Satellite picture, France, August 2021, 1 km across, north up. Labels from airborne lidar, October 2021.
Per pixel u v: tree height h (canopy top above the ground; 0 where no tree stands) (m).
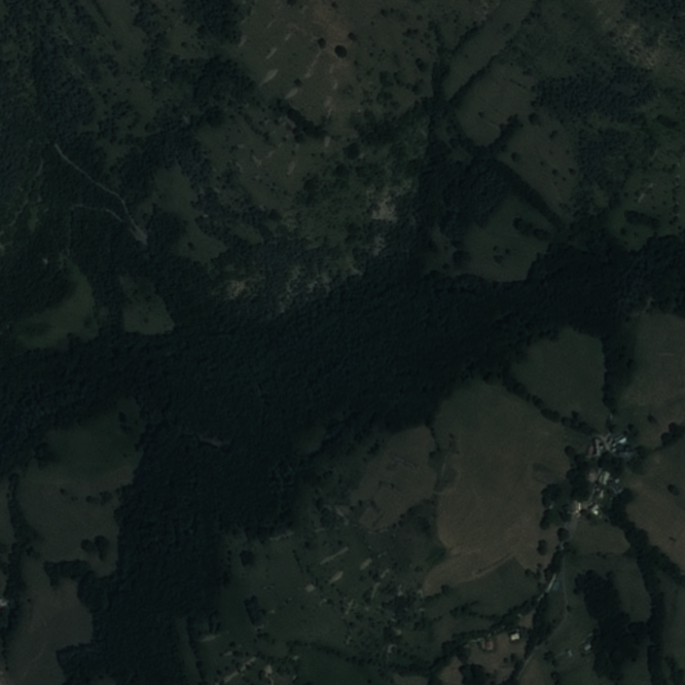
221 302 7
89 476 0
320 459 12
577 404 0
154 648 20
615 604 16
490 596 0
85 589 19
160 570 30
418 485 0
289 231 6
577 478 15
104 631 20
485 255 0
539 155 0
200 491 16
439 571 0
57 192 10
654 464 0
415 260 21
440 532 0
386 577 0
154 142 10
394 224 7
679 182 6
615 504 9
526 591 0
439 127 8
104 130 9
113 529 0
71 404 20
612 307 21
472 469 0
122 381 25
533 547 0
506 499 0
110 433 0
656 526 0
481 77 15
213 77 9
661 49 0
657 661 16
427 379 29
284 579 0
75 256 7
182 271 16
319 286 8
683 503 0
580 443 0
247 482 23
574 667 0
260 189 0
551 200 0
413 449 0
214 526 15
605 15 0
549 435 0
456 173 23
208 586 22
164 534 27
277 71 0
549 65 0
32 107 7
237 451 19
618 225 0
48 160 15
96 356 23
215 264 12
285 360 22
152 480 31
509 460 0
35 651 0
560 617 0
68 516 0
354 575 0
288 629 0
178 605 20
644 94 10
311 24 0
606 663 18
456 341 29
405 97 0
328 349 24
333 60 0
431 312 28
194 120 10
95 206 8
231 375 19
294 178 0
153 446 22
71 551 0
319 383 24
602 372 0
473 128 0
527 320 19
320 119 0
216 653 0
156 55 9
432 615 0
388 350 27
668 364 0
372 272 21
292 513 16
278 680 0
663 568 9
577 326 14
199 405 22
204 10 8
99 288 11
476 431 0
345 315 23
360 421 20
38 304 14
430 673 7
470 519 0
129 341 24
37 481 0
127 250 13
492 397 0
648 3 6
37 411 25
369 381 28
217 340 27
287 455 19
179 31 0
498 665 0
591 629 0
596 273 26
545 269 14
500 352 19
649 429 0
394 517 0
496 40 0
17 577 16
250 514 22
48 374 24
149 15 10
